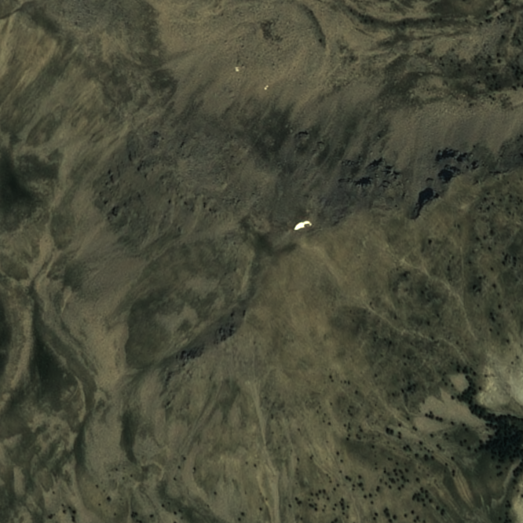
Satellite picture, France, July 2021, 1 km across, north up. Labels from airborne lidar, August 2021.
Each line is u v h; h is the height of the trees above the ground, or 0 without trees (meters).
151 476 0
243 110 0
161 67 0
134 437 0
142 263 0
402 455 0
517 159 0
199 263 0
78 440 0
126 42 0
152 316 0
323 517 0
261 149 0
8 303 0
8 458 0
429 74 0
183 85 0
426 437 0
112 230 0
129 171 0
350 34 0
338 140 0
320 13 0
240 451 0
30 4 0
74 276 0
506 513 7
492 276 0
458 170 0
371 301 0
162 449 0
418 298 0
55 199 0
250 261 0
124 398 0
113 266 0
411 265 0
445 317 0
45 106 0
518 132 0
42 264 0
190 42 0
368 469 0
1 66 0
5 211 0
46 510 0
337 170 0
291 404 0
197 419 0
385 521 0
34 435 0
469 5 0
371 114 0
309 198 0
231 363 0
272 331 0
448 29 0
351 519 0
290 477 0
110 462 0
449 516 0
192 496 0
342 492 0
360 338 0
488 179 0
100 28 0
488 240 0
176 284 0
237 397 0
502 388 0
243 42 0
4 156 0
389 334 0
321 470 0
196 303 0
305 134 0
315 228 0
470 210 0
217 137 0
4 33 0
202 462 0
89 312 0
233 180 0
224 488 0
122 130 0
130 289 0
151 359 0
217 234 0
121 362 0
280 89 0
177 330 0
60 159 0
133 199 0
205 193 0
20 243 0
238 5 0
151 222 0
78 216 0
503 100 0
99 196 0
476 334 0
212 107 0
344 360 0
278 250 0
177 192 0
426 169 0
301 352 0
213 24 0
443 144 0
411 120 0
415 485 0
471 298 0
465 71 0
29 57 0
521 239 0
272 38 0
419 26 0
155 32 0
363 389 0
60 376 0
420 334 0
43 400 0
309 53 0
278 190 0
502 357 0
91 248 0
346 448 0
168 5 0
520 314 0
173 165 0
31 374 0
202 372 0
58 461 0
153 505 0
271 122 0
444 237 0
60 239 0
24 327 0
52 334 0
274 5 0
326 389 0
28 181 0
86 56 0
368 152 0
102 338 0
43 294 0
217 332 0
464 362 0
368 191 0
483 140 0
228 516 0
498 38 0
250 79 0
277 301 0
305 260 0
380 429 0
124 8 0
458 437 0
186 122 0
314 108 0
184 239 0
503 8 0
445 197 0
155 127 0
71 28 0
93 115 0
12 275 0
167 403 0
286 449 0
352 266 0
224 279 0
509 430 10
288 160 0
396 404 0
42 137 0
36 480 0
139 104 0
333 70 0
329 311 0
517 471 9
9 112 0
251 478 0
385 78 0
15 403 0
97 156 0
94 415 0
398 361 0
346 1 0
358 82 0
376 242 0
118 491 0
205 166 0
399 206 0
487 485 0
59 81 0
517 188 0
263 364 0
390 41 0
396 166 0
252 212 0
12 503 0
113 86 0
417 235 0
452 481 0
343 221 0
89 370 0
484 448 11
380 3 0
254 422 0
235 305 0
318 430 0
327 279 0
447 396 0
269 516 0
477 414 13
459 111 0
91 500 0
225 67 0
